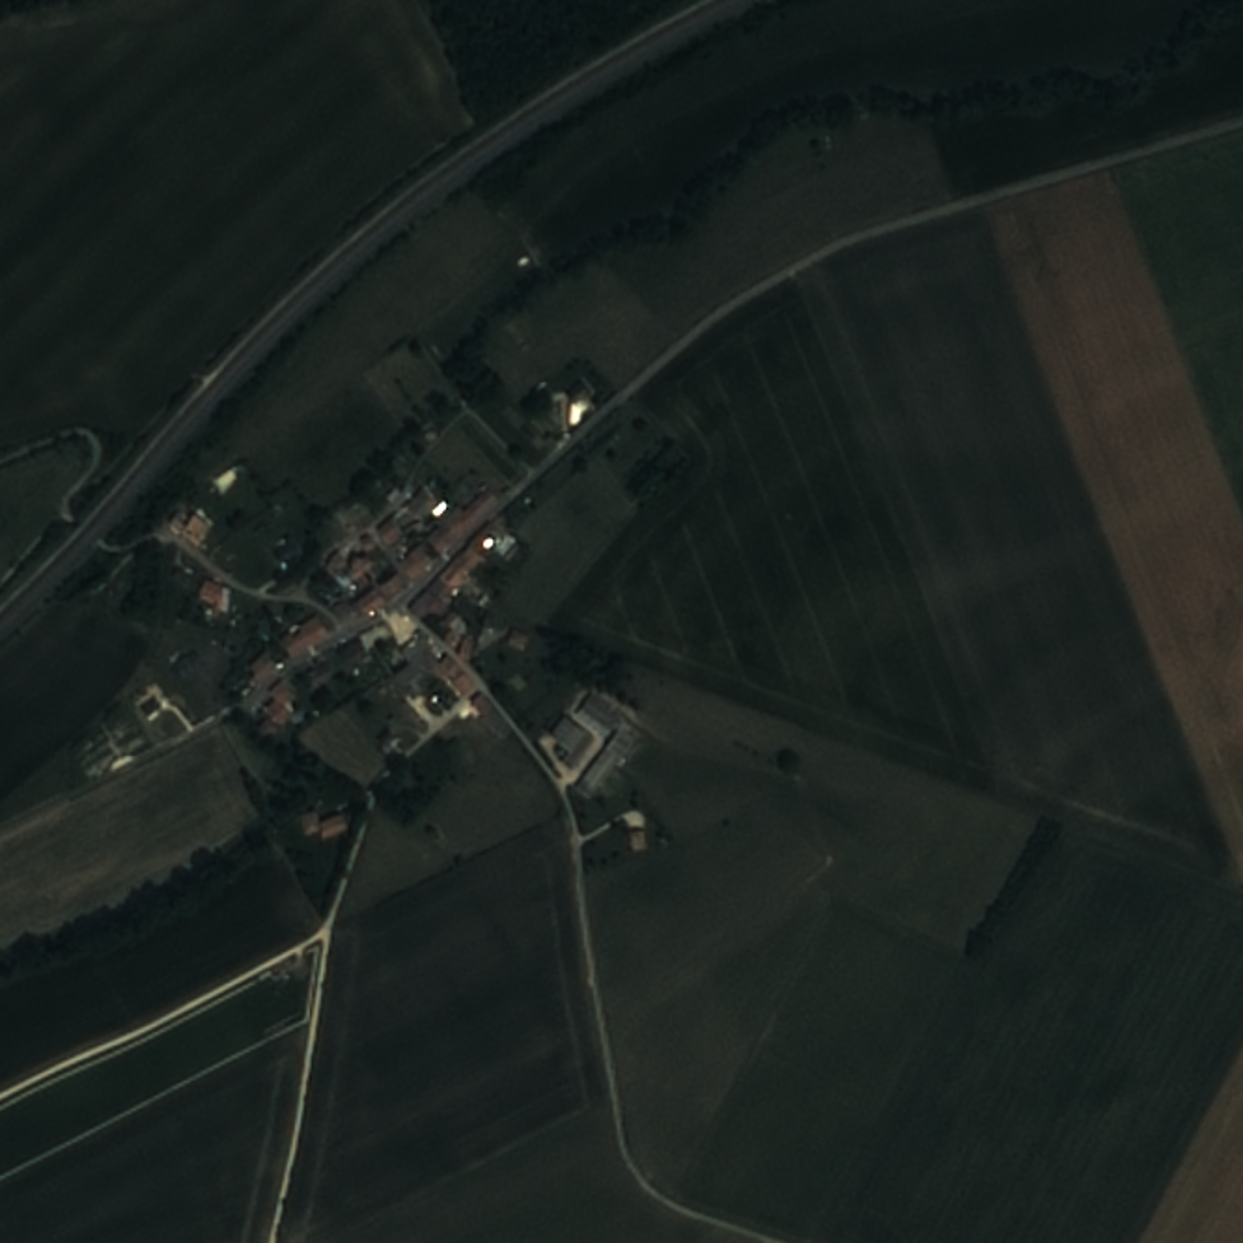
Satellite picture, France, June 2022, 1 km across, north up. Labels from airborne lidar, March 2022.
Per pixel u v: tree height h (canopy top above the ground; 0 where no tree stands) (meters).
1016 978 0
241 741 0
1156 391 0
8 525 0
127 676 0
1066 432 0
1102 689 0
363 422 0
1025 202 0
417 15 0
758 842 0
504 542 0
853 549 0
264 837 23
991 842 0
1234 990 0
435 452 0
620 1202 0
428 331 0
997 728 0
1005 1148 0
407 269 0
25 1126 0
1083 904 0
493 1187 0
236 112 0
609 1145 0
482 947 0
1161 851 0
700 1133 0
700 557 0
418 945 0
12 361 0
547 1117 0
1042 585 0
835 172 0
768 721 0
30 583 0
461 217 0
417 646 0
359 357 0
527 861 0
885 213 0
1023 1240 0
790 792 0
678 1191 0
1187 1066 0
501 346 0
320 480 0
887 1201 0
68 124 0
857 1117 0
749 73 0
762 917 0
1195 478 0
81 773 0
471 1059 0
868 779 0
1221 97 0
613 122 0
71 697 0
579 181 0
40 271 0
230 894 0
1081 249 0
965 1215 0
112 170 0
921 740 0
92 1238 0
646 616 0
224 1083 0
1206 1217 0
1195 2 0
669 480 10
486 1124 0
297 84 0
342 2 0
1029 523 0
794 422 0
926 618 0
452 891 0
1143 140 0
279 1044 0
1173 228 0
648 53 0
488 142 0
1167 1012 0
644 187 0
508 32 20
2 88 0
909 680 0
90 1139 0
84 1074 0
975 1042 0
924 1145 0
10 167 0
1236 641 0
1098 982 0
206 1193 0
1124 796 0
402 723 0
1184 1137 0
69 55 0
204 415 0
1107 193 0
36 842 0
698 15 0
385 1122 0
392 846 0
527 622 0
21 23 0
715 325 0
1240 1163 0
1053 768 0
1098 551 0
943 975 0
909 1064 0
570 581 0
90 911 0
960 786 0
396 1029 0
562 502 0
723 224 0
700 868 0
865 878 0
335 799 0
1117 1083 0
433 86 0
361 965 0
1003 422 0
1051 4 0
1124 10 0
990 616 0
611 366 0
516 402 0
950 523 0
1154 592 0
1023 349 0
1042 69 0
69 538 0
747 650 0
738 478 0
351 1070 0
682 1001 0
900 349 0
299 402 0
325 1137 0
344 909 0
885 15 0
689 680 0
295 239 0
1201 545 0
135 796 0
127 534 11
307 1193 0
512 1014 0
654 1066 0
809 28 0
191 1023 0
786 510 0
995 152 0
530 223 0
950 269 0
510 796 0
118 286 0
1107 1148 0
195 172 0
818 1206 0
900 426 0
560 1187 0
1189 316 0
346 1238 0
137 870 0
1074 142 0
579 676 15
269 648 6
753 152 18
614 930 0
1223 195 0
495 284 0
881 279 0
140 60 0
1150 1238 0
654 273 0
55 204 0
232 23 0
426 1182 0
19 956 16
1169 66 15
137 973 0
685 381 0
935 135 0
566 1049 0
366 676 0
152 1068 0
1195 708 0
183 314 0
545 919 0
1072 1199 0
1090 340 0
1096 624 0
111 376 0
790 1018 0
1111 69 0
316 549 16
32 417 0
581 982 0
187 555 0
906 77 0
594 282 0
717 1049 0
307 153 0
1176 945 0
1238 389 0
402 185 7
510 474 0
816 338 0
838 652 0
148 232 0
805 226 0
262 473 0
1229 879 0
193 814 0
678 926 0
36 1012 0
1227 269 0
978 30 0
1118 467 0
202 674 0
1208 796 0
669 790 0
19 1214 0
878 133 0
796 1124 0
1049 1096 0
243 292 0
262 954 0
